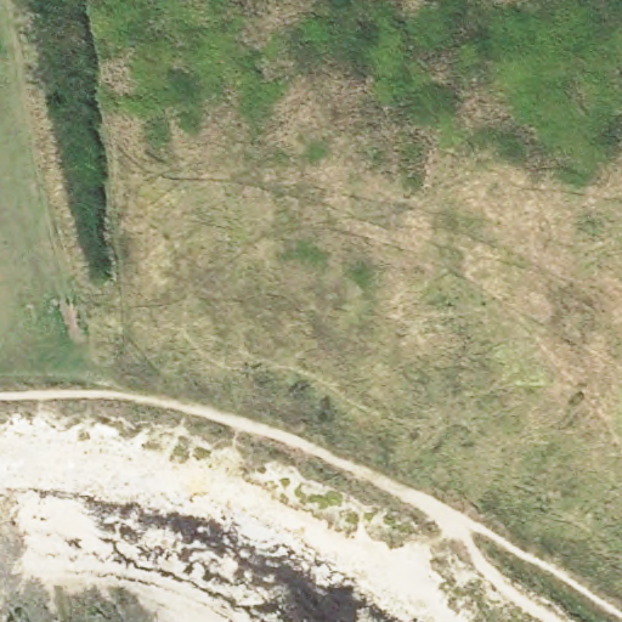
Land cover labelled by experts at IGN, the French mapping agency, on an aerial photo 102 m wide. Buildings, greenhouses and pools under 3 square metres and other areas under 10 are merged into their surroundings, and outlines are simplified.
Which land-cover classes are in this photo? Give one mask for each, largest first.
<instances>
[{"label":"herbaceous vegetation","instance_id":"1","mask_svg":"<svg viewBox=\"0 0 622 622\"><path fill-rule=\"evenodd\" d=\"M85 12L90 17L95 53L100 63L95 100L102 117L100 134L107 151L109 173L104 241L112 275L104 282H92L85 253L78 243L75 216L68 207L63 173L58 168L56 136L46 107V90L36 70L39 51L22 36L24 29L34 27V12H29L27 7H17L12 0H0V391H138L148 396H165L175 401L209 406L221 413L241 415L292 432L318 447H326L335 457L350 459L355 464L384 474L386 479L406 488L432 496L435 501L471 518L474 522H481L493 532L508 537L520 549L554 561L556 566L566 569L578 581H583L588 588L622 607V0H85ZM36 413H56L66 420L68 430L83 420H95L97 425L114 428L119 437L126 440L136 437L153 423L185 425L194 435L214 442L216 449H236L241 454V476L258 471L262 474L270 462L294 467L301 476L328 486V493H304L296 488V498L301 505L318 503L328 508L338 505L343 496L350 493L360 503H377L384 508L389 532L381 535L379 542H384L389 549H398L406 542L428 544L430 566L440 576V590L447 598V607L452 612L469 610L474 615L471 622H537L539 617H532L530 612L520 610L515 603L488 600L484 595V581H469L467 586H459L449 566L462 561L467 571H471L474 561L462 542L447 539L423 510L381 491L369 481L355 479L338 467L326 464L318 457L287 447L279 440L233 430L231 425L202 415L121 398L0 401V425L10 423L12 415L34 418ZM474 544L501 571V576H505L510 583L522 586L525 593L549 598L566 612L569 620L576 622H620L617 617L607 615L590 600H586L573 588H569L566 583H561L559 578H554L552 573L508 554L484 535H474Z\"/></svg>","mask_w":622,"mask_h":622},{"label":"bare soil","instance_id":"2","mask_svg":"<svg viewBox=\"0 0 622 622\"><path fill-rule=\"evenodd\" d=\"M296 488L304 493H328V486L301 476L294 467L270 462L262 474L258 471L241 476V454L236 449H216L214 442L194 435L185 425L153 423L136 437L126 440L119 437L114 428L97 425L95 420H83L68 430L66 420L56 413H36L34 418L12 415L10 423L0 425V622H471L474 615L469 610L452 612L447 607V598L440 590V576L430 566L428 544L406 542L398 549H389L384 542H379L381 535L389 532L384 508L377 503H360L350 493L343 496L338 505L328 508L318 503L301 505L296 498Z\"/></svg>","mask_w":622,"mask_h":622},{"label":"brushwood","instance_id":"3","mask_svg":"<svg viewBox=\"0 0 622 622\"><path fill-rule=\"evenodd\" d=\"M17 7H27L29 12H34V27L24 29L22 36L39 51L36 70L46 90V107L56 136L58 168L63 173L68 207L75 216L78 243L85 253L92 282H104L112 275L104 241L109 173L107 151L100 134L102 117L95 100L100 63L95 53L90 17L85 12V0H12Z\"/></svg>","mask_w":622,"mask_h":622},{"label":"pervious surface","instance_id":"4","mask_svg":"<svg viewBox=\"0 0 622 622\"><path fill-rule=\"evenodd\" d=\"M121 398L202 415L231 425L233 430L279 440L287 447L318 457L326 464L338 467L355 479L369 481L381 491L423 510L447 539L462 542L474 561L471 571H467L462 561L449 566L459 586H467L469 581H484V595L488 600L515 603L520 610L530 612L532 617H539L537 622H576L569 620L566 612L549 598L525 593L522 586L510 583L505 576H501V571L474 544V535H484L508 554L552 573L554 578H559L561 583H566L569 588H573L586 600H590L607 615L617 617L620 622H622V607L588 588L583 581H578L566 569L556 566L554 561L520 549L508 537L493 532L481 522H474L471 518L435 501L432 496L406 488L386 479L384 474L355 464L350 459L335 457L326 447H318L292 432L241 415L221 413L209 406L175 401L165 396H148L138 391H0V401Z\"/></svg>","mask_w":622,"mask_h":622}]
</instances>
